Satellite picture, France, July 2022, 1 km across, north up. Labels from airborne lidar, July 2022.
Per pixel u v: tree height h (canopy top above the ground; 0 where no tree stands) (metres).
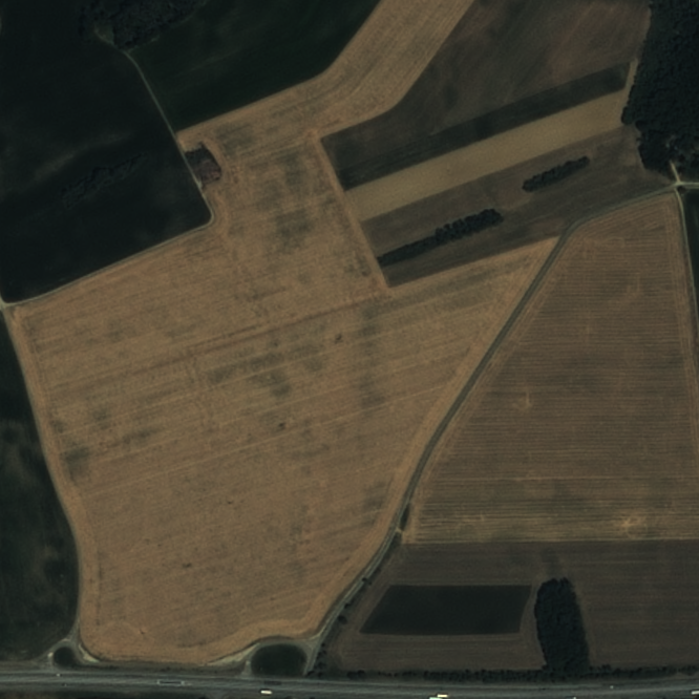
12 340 0
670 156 14
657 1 15
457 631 0
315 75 0
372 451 0
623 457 0
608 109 0
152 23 18
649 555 0
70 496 0
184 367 0
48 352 0
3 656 0
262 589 0
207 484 0
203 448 0
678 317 0
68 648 0
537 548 0
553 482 0
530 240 0
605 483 0
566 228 0
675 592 0
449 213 0
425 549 0
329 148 0
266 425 0
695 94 16
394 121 0
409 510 0
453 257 0
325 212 0
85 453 0
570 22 0
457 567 0
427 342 0
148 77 0
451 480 0
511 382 0
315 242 0
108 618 0
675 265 0
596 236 0
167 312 0
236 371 0
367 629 0
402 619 0
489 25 0
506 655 0
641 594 0
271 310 0
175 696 0
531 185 9
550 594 18
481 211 0
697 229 0
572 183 0
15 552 0
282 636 0
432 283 0
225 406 0
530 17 0
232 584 0
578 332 0
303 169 0
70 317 0
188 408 0
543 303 0
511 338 0
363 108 0
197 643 0
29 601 0
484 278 0
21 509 0
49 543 0
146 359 0
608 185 0
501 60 0
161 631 0
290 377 0
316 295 0
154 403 0
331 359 0
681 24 12
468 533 0
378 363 0
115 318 0
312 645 0
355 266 0
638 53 0
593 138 0
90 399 0
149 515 0
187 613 0
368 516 0
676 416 0
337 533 0
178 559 0
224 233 0
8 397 0
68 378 0
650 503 0
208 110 0
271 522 0
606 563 0
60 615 0
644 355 0
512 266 0
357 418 0
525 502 0
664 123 14
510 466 0
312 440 0
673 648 0
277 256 0
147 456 0
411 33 0
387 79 0
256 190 0
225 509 0
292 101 0
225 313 0
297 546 0
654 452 0
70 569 0
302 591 0
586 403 0
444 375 0
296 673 0
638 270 0
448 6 0
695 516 0
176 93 0
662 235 0
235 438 0
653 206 0
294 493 0
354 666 0
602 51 0
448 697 0
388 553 0
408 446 0
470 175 0
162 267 0
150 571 0
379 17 0
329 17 0
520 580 0
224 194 0
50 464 0
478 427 0
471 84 0
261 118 0
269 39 0
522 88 0
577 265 0
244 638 0
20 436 0
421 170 0
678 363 0
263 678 0
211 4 0
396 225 0
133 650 0
